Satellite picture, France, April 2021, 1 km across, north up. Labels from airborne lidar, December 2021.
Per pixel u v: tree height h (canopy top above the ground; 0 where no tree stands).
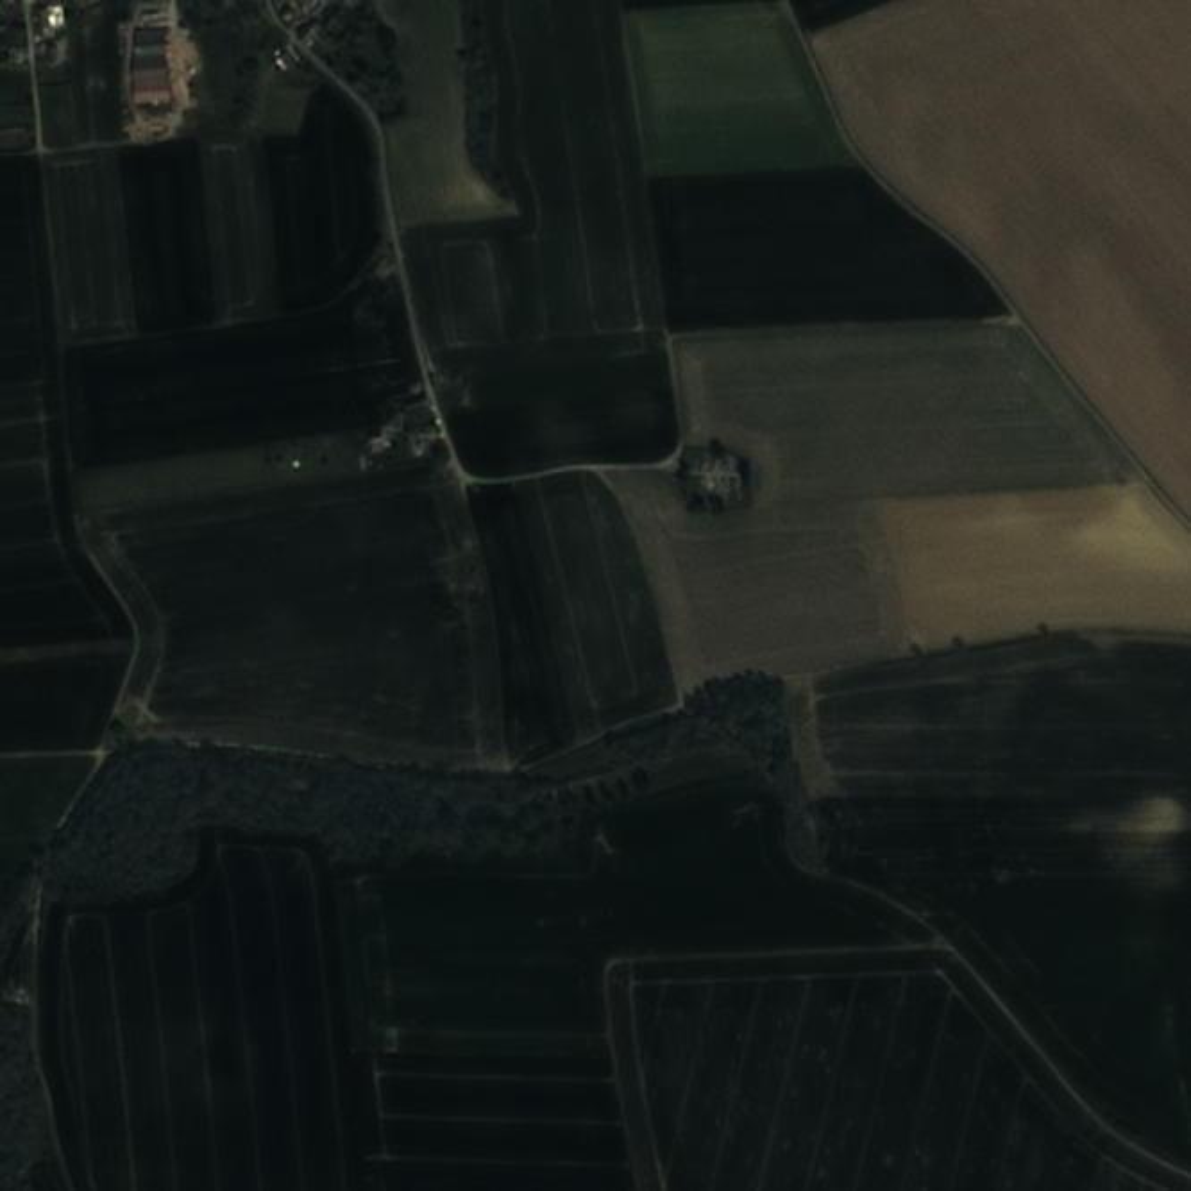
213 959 0
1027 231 0
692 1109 0
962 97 0
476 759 0
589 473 0
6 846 0
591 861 0
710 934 0
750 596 0
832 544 0
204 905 0
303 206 0
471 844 18
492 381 0
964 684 0
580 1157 0
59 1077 0
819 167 0
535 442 0
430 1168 0
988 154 0
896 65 0
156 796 20
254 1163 0
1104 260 0
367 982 0
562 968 0
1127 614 0
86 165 0
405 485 0
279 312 0
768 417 0
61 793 0
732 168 0
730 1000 0
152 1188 0
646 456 0
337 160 0
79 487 0
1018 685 0
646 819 0
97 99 0
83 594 0
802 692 0
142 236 0
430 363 0
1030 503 0
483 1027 0
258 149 0
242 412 0
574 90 0
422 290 0
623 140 0
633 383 0
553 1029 0
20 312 0
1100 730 0
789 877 0
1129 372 0
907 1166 0
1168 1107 0
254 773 9
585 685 0
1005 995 0
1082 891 0
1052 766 0
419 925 0
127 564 0
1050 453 0
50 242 0
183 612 0
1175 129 0
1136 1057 0
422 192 0
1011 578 0
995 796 0
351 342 0
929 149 0
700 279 0
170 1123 0
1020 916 0
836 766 0
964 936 0
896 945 0
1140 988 0
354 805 18
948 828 0
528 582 0
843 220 0
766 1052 0
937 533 0
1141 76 0
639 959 0
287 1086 0
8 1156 12
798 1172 0
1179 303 0
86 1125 0
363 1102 0
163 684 0
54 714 0
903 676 0
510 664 0
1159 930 0
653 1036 0
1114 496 0
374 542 0
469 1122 0
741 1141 0
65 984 0
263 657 0
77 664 0
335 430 0
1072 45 0
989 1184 0
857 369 0
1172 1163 0
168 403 0
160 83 0
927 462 0
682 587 0
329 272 0
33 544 0
